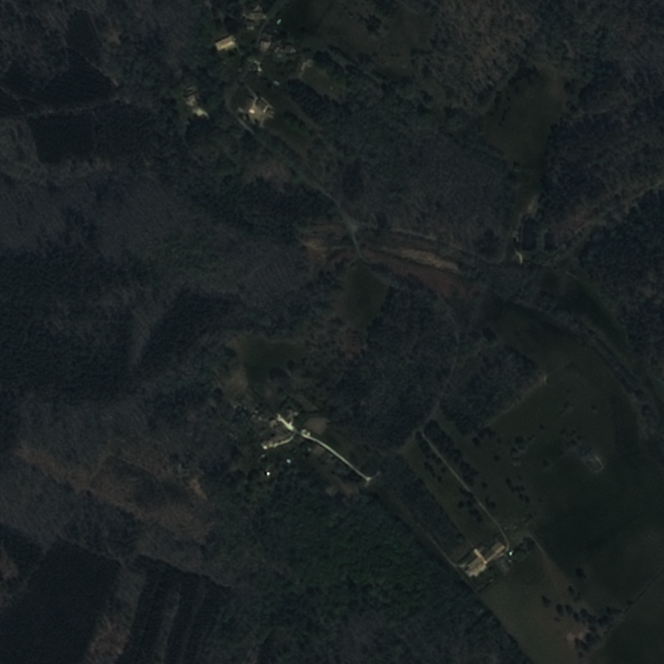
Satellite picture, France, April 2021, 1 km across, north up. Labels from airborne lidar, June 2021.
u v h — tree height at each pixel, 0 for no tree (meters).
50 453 14
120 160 18
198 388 19
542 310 9
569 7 13
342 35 0
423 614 21
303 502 15
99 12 12
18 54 12
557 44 15
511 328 0
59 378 20
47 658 11
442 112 0
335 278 11
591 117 12
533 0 15
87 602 10
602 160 11
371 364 11
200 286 14
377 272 15
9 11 7
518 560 8
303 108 15
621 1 16
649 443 0
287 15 0
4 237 15
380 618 14
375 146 11
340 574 16
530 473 0
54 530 13
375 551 18
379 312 0
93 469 18
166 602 11
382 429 16
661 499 0
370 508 20
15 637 11
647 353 29
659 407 0
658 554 0
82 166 11
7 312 19
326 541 17
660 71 16
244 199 17
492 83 14
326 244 0
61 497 17
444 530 20
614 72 27
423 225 20
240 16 8
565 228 16
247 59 10
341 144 17
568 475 0
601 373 0
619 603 0
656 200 11
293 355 0
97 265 15
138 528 22
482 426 15
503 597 0
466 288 0
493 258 20
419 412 16
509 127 0
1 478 16
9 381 22
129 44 15
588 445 0
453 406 17
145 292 15
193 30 16
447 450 12
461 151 15
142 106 23
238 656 17
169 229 13
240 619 16
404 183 12
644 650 0
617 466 0
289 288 15
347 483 16
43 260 19
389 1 13
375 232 11
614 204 16
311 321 13
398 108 18
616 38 16
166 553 11
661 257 12
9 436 18
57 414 19
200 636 11
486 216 15
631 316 27
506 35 14
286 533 19
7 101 9
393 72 0
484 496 0
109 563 10
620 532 0
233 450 14
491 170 21
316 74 0
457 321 15
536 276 18
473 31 15
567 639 0
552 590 0
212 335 23
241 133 21
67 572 12
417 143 9
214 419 23
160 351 19
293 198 15
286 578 15
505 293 16
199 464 15
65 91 12
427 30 0
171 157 9
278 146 22
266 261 15
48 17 13
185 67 21
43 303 17
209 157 14
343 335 8
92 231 15
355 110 17
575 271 0
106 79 12
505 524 0
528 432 0
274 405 0
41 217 13
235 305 21
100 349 26
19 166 18
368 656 20
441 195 11
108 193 18
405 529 21
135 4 15
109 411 16
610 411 0
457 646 20
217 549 18
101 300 21
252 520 15
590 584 0
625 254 26
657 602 0
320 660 21
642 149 12
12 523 13
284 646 10
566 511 0
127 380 22
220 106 15
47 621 12
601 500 0
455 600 21
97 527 21
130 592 15
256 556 19
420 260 0
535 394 0
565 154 11
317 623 16
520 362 21
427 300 21
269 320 18
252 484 14
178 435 16
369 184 13
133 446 7
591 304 0
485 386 22
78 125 11
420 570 18
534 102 0
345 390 15
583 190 17
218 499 20
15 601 11
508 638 14
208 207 21
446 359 14
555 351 0
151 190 16
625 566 0
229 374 22
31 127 12
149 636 12
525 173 0
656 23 21
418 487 18
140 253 15
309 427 0
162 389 17
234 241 13
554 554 0
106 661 11
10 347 22
